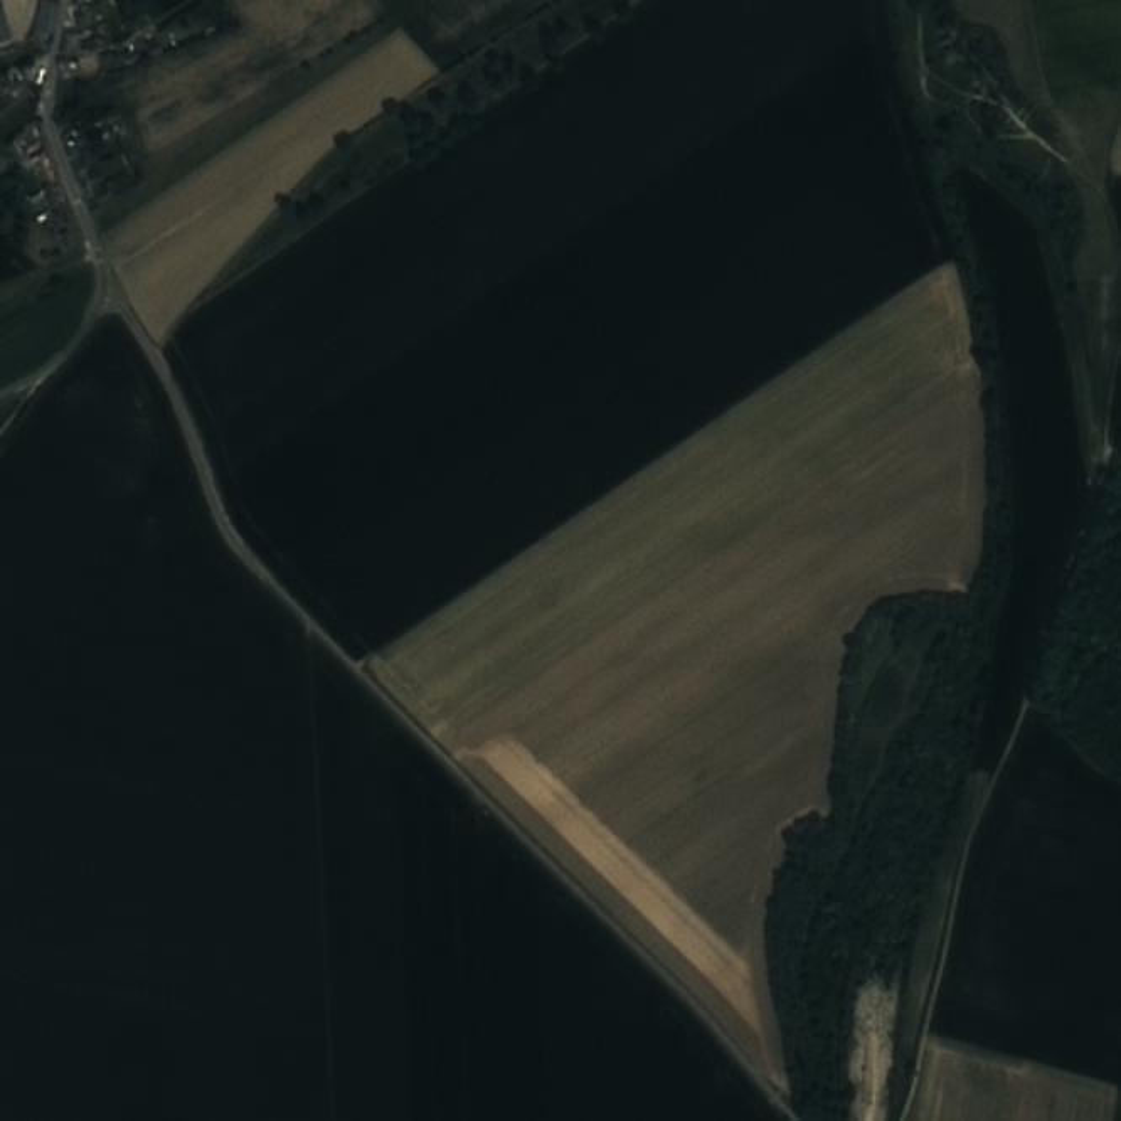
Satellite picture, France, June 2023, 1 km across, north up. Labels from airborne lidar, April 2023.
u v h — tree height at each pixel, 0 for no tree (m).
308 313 0
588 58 0
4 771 0
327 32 0
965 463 0
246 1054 0
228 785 0
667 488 0
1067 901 0
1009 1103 0
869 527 0
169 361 0
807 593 0
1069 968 0
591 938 0
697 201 0
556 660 0
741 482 0
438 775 0
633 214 0
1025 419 0
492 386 0
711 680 0
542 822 0
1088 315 0
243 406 0
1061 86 0
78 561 0
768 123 0
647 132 0
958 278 0
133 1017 0
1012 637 0
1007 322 0
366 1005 0
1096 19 0
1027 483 0
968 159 0
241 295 0
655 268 0
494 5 0
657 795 0
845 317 0
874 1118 0
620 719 0
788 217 0
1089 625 12
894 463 0
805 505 0
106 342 0
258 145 0
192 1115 0
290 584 0
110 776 0
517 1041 0
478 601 0
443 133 14
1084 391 0
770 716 0
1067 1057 0
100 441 0
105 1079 0
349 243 0
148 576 0
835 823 15
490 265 0
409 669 0
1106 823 0
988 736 0
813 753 0
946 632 7
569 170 0
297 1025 0
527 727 0
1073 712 11
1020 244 0
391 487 0
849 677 9
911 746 10
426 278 0
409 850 0
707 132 0
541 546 0
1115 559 14
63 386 0
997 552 11
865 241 0
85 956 0
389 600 0
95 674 0
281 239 0
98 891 0
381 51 0
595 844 0
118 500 0
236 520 0
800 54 0
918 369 0
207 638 0
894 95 0
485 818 0
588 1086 0
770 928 6
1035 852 0
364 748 0
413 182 0
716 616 0
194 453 0
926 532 0
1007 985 0
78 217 0
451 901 0
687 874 0
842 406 0
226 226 0
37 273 0
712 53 0
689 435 0
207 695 0
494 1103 0
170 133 0
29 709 0
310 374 0
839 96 0
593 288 0
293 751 0
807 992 7
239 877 0
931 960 0
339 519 0
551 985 0
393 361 0
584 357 0
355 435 0
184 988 0
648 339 0
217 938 0
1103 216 0
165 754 0
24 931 0
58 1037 0
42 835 0
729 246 0
